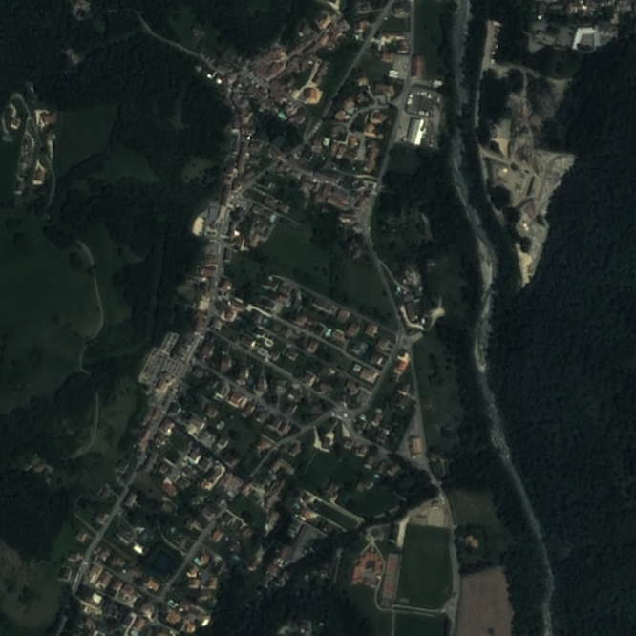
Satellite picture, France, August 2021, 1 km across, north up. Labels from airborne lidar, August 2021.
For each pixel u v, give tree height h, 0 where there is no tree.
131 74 27
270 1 10
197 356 6
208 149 16
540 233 0
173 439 0
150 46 17
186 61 6
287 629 0
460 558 10
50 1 18
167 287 25
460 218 11
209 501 6
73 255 10
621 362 7
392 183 19
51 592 0
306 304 7
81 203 10
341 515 0
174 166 7
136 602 5
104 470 0
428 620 0
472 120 20
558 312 15
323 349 7
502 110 12
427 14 0
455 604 0
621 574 6
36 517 18
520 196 0
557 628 6
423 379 0
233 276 8
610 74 16
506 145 0
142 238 23
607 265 10
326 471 0
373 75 0
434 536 0
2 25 19
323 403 9
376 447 7
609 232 8
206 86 10
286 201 8
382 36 0
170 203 12
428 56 0
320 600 14
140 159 0
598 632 12
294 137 17
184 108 10
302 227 0
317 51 5
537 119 0
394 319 0
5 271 0
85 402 12
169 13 12
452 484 16
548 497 8
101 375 16
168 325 7
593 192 7
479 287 17
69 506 22
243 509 0
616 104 15
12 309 0
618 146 12
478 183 14
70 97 21
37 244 0
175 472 0
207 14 27
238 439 17
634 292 14
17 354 0
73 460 13
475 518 0
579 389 15
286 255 0
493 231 16
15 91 13
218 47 0
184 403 14
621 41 11
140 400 8
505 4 17
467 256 11
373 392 0
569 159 0
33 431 23
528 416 15
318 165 6
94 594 0
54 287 0
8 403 0
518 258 0
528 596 12
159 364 0
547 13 8
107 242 0
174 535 0
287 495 8
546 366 14
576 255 14
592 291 23
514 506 12
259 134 9
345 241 6
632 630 9
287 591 17
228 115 19
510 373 21
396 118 0
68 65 23
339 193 0
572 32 7
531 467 17
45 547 16
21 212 0
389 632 0
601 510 16
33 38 24
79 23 14
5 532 14
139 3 33
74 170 14
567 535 20
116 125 9
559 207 15
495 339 16
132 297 16
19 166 0
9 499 14
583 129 16
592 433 15
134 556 0
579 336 15
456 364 16
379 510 0
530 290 16
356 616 15
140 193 19
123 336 8
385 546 0
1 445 14
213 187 19
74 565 0
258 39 16
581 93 16
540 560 7
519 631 14
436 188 15
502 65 0
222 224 0
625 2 0
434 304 11
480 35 15
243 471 7
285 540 12
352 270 0
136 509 6
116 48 22
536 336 15
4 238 0
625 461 9
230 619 21
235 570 12
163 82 25
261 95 0
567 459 18
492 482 12
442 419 0
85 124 0
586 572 24
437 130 0
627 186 10
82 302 0
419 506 14
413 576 0
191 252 15
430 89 0
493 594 0
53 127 9
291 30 16
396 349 0
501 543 0
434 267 0
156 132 8
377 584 0
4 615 8
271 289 9
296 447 0
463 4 0
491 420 8
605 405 13
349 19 9
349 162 9
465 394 14
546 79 9
